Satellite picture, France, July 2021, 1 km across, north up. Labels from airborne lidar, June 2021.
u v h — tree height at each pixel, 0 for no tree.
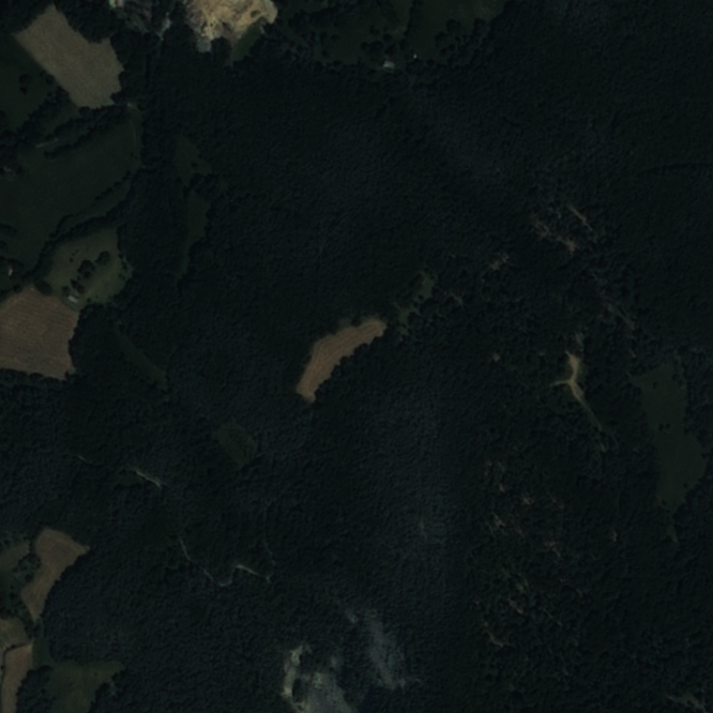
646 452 22
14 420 23
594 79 21
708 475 12
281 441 15
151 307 17
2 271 11
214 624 21
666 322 21
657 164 15
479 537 18
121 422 18
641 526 25
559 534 25
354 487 18
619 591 24
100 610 12
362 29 0
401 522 7
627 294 31
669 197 25
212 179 17
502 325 21
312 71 25
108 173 0
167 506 15
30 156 0
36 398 21
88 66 0
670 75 19
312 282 20
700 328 22
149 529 14
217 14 0
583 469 21
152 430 16
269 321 21
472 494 19
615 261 24
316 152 19
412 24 14
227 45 17
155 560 15
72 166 0
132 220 18
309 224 18
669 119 18
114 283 0
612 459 25
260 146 21
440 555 8
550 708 24
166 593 16
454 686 21
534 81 24
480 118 23
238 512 20
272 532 16
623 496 17
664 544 26
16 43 0
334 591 11
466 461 17
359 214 24
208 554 23
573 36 21
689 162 15
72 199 0
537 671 23
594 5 16
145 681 14
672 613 23
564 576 24
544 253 26
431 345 16
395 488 12
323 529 19
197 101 23
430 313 16
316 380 0
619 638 14
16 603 9
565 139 21
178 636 21
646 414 11
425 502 8
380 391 12
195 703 19
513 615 26
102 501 24
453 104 21
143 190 20
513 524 21
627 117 20
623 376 20
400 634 6
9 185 0
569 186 21
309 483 20
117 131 0
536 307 25
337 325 11
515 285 26
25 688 12
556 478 25
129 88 21
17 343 0
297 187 23
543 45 25
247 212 25
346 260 23
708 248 26
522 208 27
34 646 0
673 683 12
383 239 28
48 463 19
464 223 25
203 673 21
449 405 10
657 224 24
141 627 19
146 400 15
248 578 14
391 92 23
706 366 21
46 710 7
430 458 9
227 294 16
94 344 21
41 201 0
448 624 13
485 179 10
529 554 23
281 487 17
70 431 19
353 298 16
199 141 20
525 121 26
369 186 20
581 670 24
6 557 0
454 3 0
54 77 8
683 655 24
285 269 23
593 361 18
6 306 0
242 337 20
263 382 13
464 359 23
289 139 25
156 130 22
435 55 0
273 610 17
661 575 20
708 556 29
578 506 24
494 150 22
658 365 19
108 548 13
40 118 22
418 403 7
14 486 21
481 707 25
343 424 18
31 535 7
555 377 15
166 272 28
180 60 22
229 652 22
